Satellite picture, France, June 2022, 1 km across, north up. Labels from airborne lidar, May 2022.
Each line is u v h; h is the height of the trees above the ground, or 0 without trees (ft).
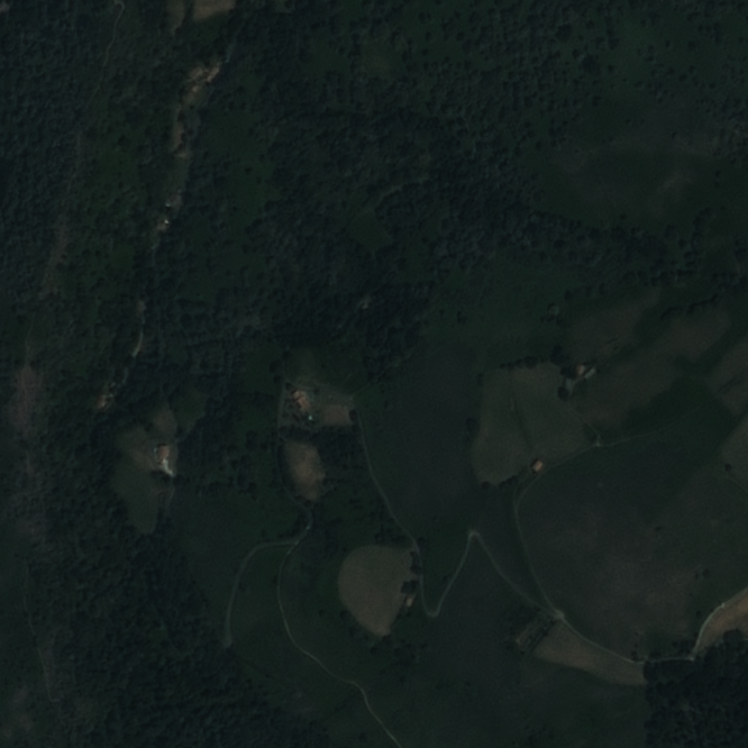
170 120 20
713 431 0
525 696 0
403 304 60
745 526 0
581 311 0
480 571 0
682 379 0
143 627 85
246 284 24
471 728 0
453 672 0
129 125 46
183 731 80
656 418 0
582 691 0
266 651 0
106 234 84
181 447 42
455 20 24
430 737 0
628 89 0
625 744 0
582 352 0
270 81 45
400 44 32
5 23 57
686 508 0
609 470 0
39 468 30
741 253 43
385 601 0
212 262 38
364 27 49
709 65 0
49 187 35
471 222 56
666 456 0
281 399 0
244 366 44
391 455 0
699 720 73
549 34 32
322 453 40
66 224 32
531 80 39
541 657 0
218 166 23
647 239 43
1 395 31
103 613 48
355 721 0
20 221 25
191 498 0
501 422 0
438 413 0
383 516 27
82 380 55
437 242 23
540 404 0
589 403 0
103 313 51
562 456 0
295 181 44
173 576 78
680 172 0
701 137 0
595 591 0
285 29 58
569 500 0
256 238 37
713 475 0
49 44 27
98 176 48
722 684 88
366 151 59
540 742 36
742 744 78
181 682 52
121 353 78
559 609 0
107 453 63
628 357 0
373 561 0
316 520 29
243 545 0
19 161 31
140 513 0
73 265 44
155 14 85
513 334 0
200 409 0
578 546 0
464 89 31
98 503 81
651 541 0
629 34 0
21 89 40
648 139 0
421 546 36
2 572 0
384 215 39
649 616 0
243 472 54
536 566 0
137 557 102
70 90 27
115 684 36
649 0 35
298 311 71
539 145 27
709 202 0
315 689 0
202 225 0
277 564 0
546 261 39
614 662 0
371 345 27
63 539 46
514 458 0
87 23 64
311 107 40
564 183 0
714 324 0
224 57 35
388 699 0
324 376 0
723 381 0
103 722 31
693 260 37
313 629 0
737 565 0
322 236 26
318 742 69
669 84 0
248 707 61
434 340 0
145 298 40
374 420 0
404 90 51
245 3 31
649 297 0
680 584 0
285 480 37
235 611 0
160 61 48
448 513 0
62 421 63
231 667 57
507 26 34
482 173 59
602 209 0
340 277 39
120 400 54
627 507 0
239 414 54
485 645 0
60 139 20
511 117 24
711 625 0
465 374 0
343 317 47
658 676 45
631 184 0
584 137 0
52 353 26
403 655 57
